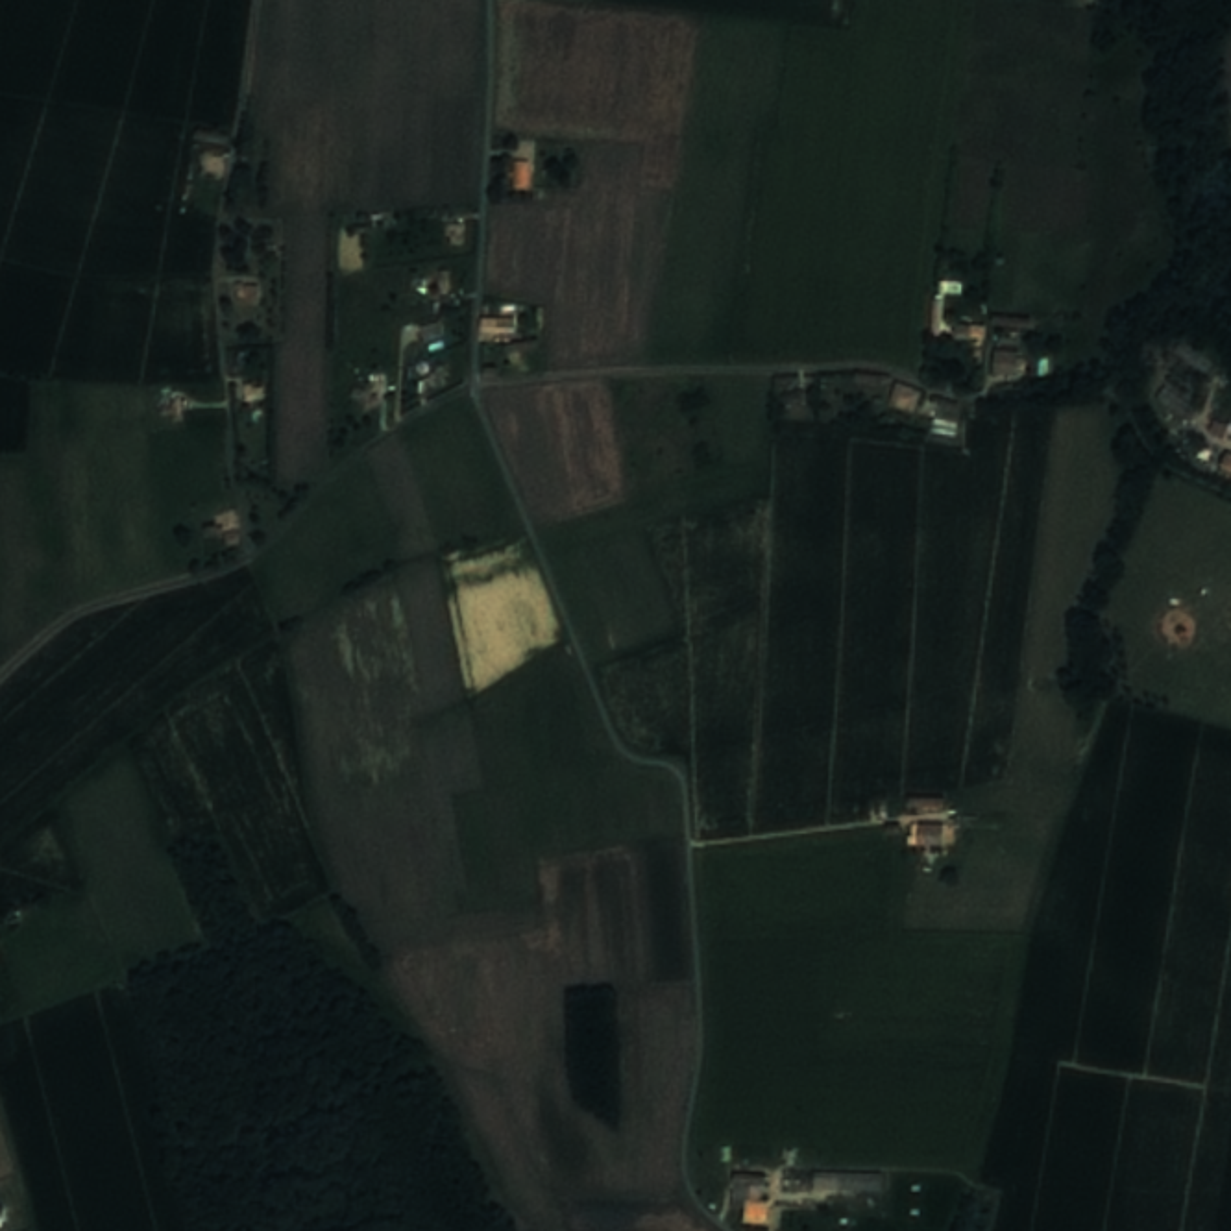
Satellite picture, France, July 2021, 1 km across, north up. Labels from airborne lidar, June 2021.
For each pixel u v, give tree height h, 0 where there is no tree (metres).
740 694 0
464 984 0
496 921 0
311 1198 21
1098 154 0
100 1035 0
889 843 0
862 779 0
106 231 0
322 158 0
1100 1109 0
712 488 0
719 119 0
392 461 0
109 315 0
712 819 0
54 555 0
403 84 0
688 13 0
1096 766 0
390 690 0
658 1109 0
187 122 0
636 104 0
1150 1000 0
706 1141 0
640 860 0
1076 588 0
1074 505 0
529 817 0
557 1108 0
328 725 0
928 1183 0
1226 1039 0
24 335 0
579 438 0
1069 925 0
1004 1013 0
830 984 0
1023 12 0
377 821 0
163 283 0
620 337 0
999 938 0
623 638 0
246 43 0
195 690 0
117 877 0
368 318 0
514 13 0
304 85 0
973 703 0
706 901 0
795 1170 0
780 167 0
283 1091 22
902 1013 0
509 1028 0
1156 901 0
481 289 0
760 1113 0
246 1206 19
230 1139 17
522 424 0
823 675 0
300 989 22
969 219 0
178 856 13
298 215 0
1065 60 0
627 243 0
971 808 0
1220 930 0
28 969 0
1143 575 0
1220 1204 0
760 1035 0
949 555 0
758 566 0
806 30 0
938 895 0
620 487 0
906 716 0
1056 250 0
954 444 0
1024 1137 0
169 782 0
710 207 0
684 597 0
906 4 0
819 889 0
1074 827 0
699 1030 0
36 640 0
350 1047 20
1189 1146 0
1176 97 27
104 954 0
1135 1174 0
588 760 0
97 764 0
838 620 0
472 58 0
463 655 0
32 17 0
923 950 0
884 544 0
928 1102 0
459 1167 18
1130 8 20
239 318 0
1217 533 0
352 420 7
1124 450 17
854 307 0
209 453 0
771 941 0
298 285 0
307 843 0
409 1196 22
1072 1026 0
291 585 0
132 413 0
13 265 0
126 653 0
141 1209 0
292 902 0
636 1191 0
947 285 0
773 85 0
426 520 0
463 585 0
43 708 0
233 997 18
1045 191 0
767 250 0
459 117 0
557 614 0
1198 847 0
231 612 0
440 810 0
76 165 0
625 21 0
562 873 0
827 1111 0
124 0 0
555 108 0
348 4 0
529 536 0
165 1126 14
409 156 0
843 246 0
